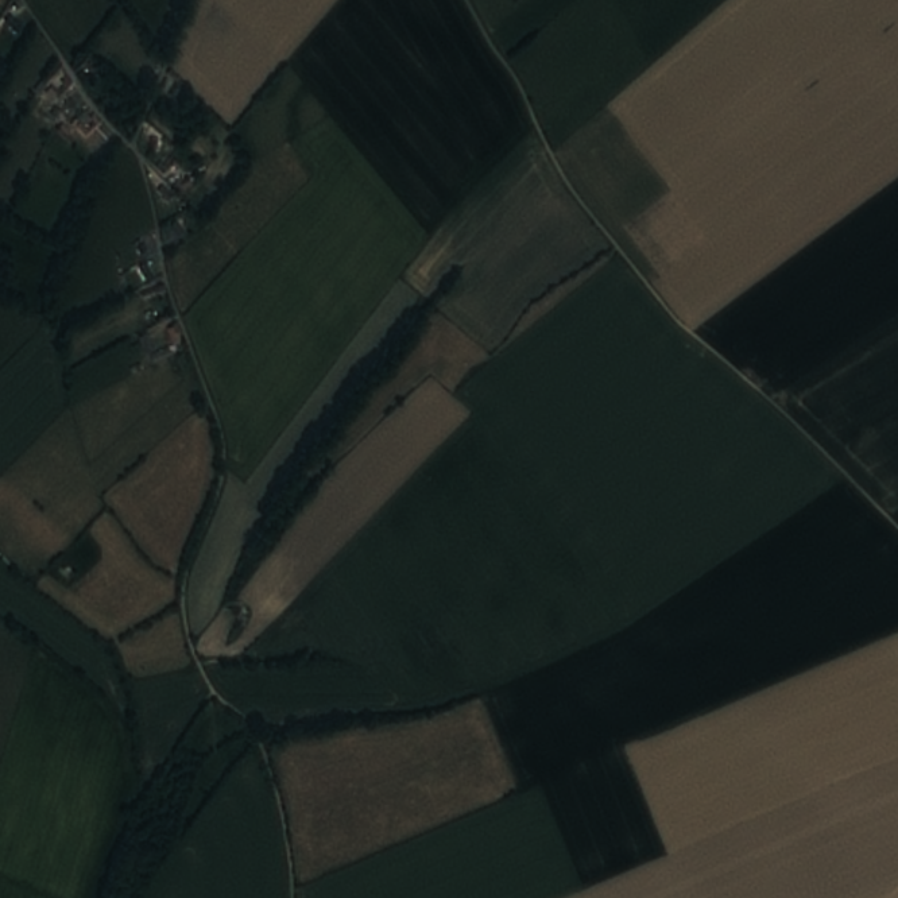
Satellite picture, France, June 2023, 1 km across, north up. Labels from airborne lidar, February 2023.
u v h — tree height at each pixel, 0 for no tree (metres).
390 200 0
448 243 0
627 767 0
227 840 0
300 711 0
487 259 0
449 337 0
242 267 0
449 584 0
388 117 0
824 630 0
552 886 0
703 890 0
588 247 0
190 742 0
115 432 0
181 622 0
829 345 0
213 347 0
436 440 0
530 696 0
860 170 0
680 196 0
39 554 0
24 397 0
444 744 0
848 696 0
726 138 0
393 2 0
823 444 0
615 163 0
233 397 0
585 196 0
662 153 0
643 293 0
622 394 0
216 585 0
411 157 0
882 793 0
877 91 0
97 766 0
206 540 0
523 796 0
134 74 0
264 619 0
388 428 0
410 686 0
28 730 0
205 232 0
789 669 0
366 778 0
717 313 0
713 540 0
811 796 0
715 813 0
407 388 0
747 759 0
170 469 0
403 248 0
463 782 0
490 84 0
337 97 0
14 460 0
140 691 0
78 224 25
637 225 0
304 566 0
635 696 0
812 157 0
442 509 0
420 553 0
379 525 0
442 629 0
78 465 0
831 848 0
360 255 0
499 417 0
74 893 0
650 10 0
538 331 0
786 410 0
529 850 0
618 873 0
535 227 0
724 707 0
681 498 0
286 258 0
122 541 0
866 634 0
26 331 0
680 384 0
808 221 0
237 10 0
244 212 0
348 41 0
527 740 0
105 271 0
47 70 7
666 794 0
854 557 0
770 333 0
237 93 0
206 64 0
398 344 24
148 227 0
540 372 0
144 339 0
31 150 0
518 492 0
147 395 0
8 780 0
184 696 0
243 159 17
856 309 0
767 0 0
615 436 0
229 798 0
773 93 0
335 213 0
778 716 0
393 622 0
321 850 0
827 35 0
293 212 0
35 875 0
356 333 0
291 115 0
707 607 0
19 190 16
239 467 0
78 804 0
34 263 0
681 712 0
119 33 0
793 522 0
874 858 0
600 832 0
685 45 0
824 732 0
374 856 0
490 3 0
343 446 0
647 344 0
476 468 0
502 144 0
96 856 0
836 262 0
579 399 0
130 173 0
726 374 0
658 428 0
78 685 0
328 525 0
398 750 0
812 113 0
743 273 0
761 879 0
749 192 0
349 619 0
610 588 0
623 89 0
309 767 0
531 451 0
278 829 0
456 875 0
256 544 23
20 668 0
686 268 0
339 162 0
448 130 0
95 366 0
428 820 0
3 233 0
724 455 0
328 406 0
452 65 0
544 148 0
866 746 0
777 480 0
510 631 0
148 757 0
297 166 0
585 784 0
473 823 0
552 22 0
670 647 0
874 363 0
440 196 0
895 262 0
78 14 0
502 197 0
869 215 0
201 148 0
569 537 0
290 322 0
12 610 0
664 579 0
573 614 0
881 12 0
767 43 0
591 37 0
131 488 0
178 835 8
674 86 0
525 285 0
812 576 0
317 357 0
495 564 0
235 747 0
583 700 0
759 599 0
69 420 0
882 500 0
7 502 0
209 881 0
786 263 0
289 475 24
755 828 0
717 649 0
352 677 0
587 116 0
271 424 0
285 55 0
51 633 0
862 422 0
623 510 0
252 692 0
